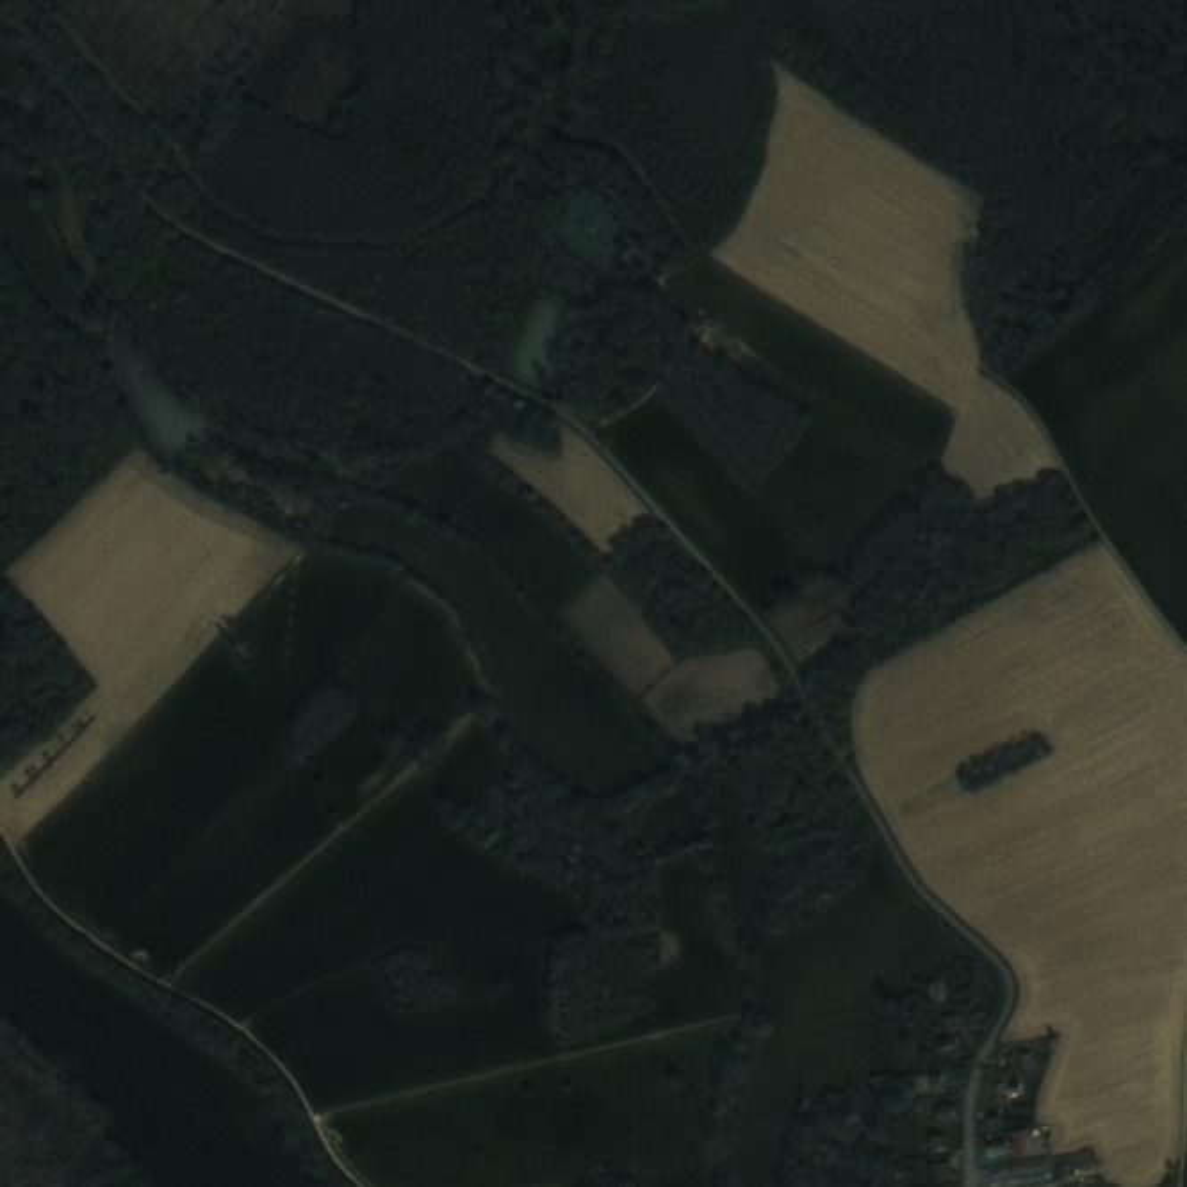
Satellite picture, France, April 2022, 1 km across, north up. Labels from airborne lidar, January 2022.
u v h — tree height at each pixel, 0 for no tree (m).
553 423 18
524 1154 0
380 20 14
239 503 19
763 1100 0
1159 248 15
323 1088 0
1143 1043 0
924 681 0
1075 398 0
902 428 0
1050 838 0
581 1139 0
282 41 0
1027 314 13
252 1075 17
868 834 14
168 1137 0
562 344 15
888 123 14
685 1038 0
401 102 16
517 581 6
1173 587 0
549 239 7
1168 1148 0
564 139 20
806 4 15
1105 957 0
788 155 0
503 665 0
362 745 0
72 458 25
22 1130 0
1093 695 0
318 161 15
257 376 17
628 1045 0
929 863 0
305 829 0
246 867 0
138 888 0
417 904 0
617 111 10
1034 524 21
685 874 0
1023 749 14
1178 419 0
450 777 0
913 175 0
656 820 0
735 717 0
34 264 0
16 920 0
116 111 23
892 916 0
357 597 0
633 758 0
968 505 21
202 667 0
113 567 0
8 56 0
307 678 0
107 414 28
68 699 20
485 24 15
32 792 0
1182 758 0
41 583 0
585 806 19
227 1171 0
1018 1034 0
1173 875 0
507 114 20
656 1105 0
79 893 0
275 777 0
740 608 16
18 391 26
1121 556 0
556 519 9
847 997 0
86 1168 0
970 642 0
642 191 18
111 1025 0
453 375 19
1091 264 19
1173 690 0
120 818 0
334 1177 17
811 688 19
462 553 0
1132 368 0
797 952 0
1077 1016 0
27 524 24
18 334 24
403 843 0
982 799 0
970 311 13
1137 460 0
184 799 0
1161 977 0
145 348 22
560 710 0
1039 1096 0
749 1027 13
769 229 0
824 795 22
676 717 0
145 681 0
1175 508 0
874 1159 25
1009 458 0
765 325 0
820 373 0
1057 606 0
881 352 0
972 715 0
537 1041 0
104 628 0
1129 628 0
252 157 15
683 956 0
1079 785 0
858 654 23
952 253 0
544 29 26
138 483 0
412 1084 0
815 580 22
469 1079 0
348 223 14
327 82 0
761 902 0
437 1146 0
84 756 0
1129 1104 0
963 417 0
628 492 0
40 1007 0
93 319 22
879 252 0
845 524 0
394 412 18
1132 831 0
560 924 0
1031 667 0
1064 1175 0
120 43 0
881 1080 9
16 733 25
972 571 28
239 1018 0
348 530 0
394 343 17
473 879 0
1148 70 26
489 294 17
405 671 0
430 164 16
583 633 0
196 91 0
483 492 0
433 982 9
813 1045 0
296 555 0
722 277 0
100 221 19
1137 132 23
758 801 22
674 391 23
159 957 0
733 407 23
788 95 0
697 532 0
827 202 0
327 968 0
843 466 0
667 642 16
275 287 13
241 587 0
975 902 0
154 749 0
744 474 17
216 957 0
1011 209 18
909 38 16
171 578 0
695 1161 0
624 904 21
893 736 0
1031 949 0
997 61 19
